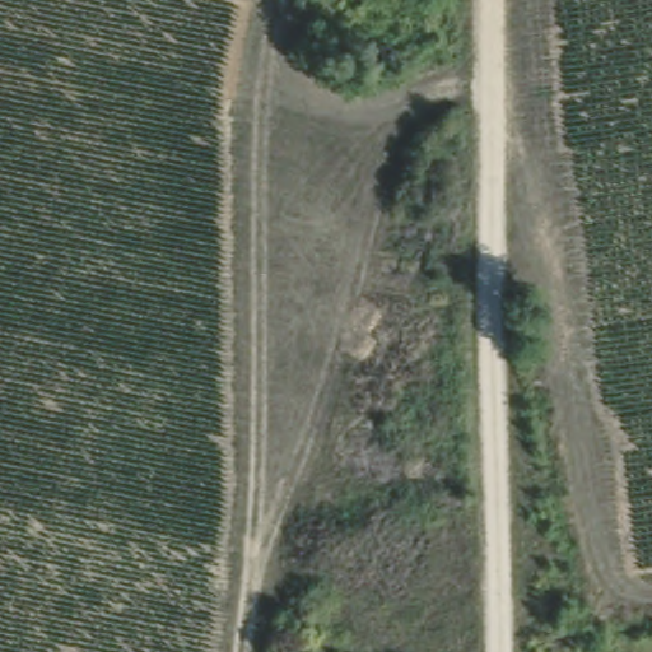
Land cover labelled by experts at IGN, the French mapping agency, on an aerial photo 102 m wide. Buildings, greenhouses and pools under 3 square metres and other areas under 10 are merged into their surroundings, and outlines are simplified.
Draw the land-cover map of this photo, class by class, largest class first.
<instances>
[{"label":"vineyard","instance_id":"1","mask_svg":"<svg viewBox=\"0 0 652 652\"><path fill-rule=\"evenodd\" d=\"M260 8V0H0V652H222L219 644L224 629V611H199L194 609V601H211L214 591H227L229 532L237 484L232 446V104L237 99L247 23L250 15ZM555 18L563 38L560 76L565 89V145L573 148V176L578 186L581 227L588 255V298L596 301V374L604 405H609L619 415L624 433L634 443V451H627L624 461L614 458L616 532L627 576H642L647 583H652V0H555Z\"/></svg>","mask_w":652,"mask_h":652},{"label":"herbaceous vegetation","instance_id":"2","mask_svg":"<svg viewBox=\"0 0 652 652\"><path fill-rule=\"evenodd\" d=\"M303 18V8H298V0H260V8L250 15L247 23L237 99L232 104V446L237 484L229 532L227 591H214L211 601H194V609L199 611H224V629L219 644L222 652H232V624L242 581L245 537L260 540L262 553L270 558L280 537V527L290 512L293 494L308 479V464L316 446L313 415L318 408L321 390L326 379L339 377L344 362L351 359V354L344 349V329L351 321V313L359 306H367L364 290L405 295V290L420 270L418 262H410L408 270L397 278L390 273L395 267V252L385 250V229H379V216L387 209H395V194L402 181H410L415 176V163L428 143V135L436 127H441L446 117L453 112L446 99L461 97L471 102L474 61L469 59L456 69L433 66L423 79H418L413 87L397 94H387L362 104H349L341 94L321 87L303 71H295L283 56L295 36V23ZM507 252L502 255L504 262L512 267L517 280L530 283L540 293V303L548 306L553 316L548 346H553L555 357L550 364L537 369L535 387H545L553 402V436L558 438V453L563 461L568 489L563 497V509L568 514V525L578 537L581 563L588 578L586 601L601 621L614 614V606L652 604V583H647L642 576H627L616 532L614 458L624 461L627 451H634V443L624 433L619 415L609 405H604L596 374V301L588 298V255L581 227L578 186L573 176V148L565 145V89L560 76L563 38L555 18V0H507ZM484 514L476 520L464 507V499L451 497L448 492L433 494L423 507H415L413 514L397 517V509L372 514L367 530L354 532V537H344V542L334 550H318L313 555L318 560V568L331 573L341 593V609L334 614L331 634L323 647L349 652H486ZM558 632H553L530 639V647L535 652H581L560 647Z\"/></svg>","mask_w":652,"mask_h":652},{"label":"deciduous trees","instance_id":"3","mask_svg":"<svg viewBox=\"0 0 652 652\"><path fill-rule=\"evenodd\" d=\"M298 8H303V18L295 23V36L283 56L295 71H303L321 87L341 94L349 104H362L387 94H397L413 87L418 79H423L433 66L456 69L469 59L474 61V0H298ZM453 112L446 117L441 127H436L428 135V143L415 163V176L410 181H402L395 194V209H387L379 216V229H385V250L395 252V267L390 273L397 278L408 270L410 262H418L420 270L405 290V295L364 290L367 306H359L351 313V321L344 329V349L351 354V359L344 362L339 377L326 379L321 390L318 408L313 415L316 446L308 464V479L293 494L290 512L280 527V537L270 558L265 568L262 591L250 599V611L242 627V639L252 644V652H349L323 647L331 634L334 614L341 609V593L331 573L318 568V560L313 555L318 550H334L344 542V537H354V532L367 530L372 514L397 509V517L413 514L415 507H423L433 494L448 492L451 497L464 499V507L476 520L484 514L479 400L481 334L471 326V290L479 288L476 273L479 257L484 252L479 247V117L471 102L461 97L446 99ZM504 301L499 303L502 336L494 341V346L507 364L514 652H535L530 647V639L553 632H558L560 647L581 652H652V604L614 606V614L601 621L586 601L588 578L581 563L578 537L568 525V514L563 509V497L568 489L563 461L558 453V438L553 436V402L545 387H535L537 369L550 364L555 357L553 346H548L553 316L548 306L540 303V293L530 283L517 280L512 267L504 262Z\"/></svg>","mask_w":652,"mask_h":652},{"label":"pervious surface","instance_id":"4","mask_svg":"<svg viewBox=\"0 0 652 652\"><path fill-rule=\"evenodd\" d=\"M507 0H474V61L471 102L479 117V247L484 252L479 257L476 273L479 288L471 290V326L481 334L479 400L484 514L486 652H514L507 364L494 346V341L502 336L499 303L504 301V262L502 255L507 252ZM270 558L262 553L260 540L245 537L242 581L232 624V652H252V644L242 639V627L250 611V599L262 591L265 568Z\"/></svg>","mask_w":652,"mask_h":652}]
</instances>
